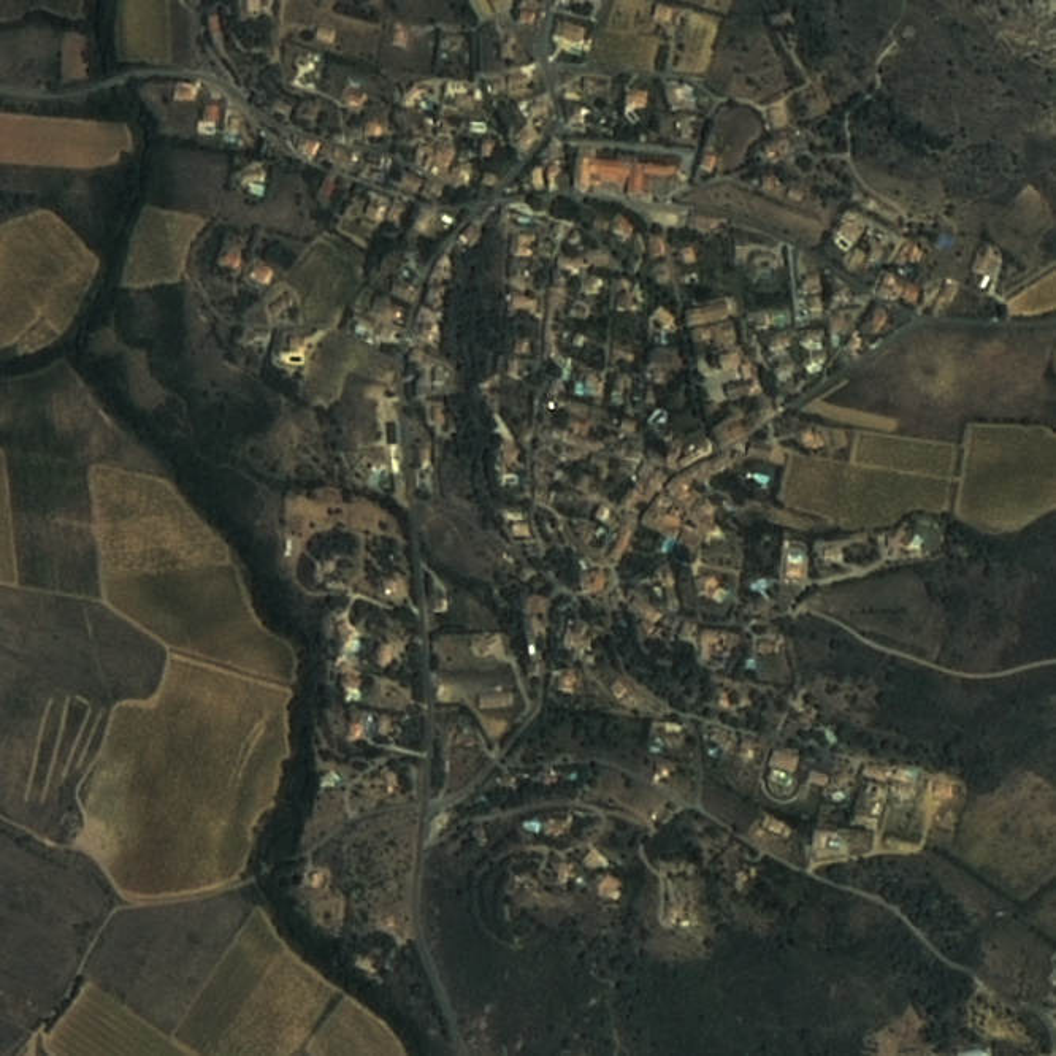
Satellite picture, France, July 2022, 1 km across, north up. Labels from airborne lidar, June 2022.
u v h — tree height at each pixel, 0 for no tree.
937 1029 10
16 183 0
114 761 0
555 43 0
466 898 10
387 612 6
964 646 0
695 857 8
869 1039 0
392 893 0
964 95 0
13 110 8
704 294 12
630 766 0
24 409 0
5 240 0
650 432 7
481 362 6
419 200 7
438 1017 9
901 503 0
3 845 0
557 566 9
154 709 0
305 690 9
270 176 6
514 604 9
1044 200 0
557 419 9
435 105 6
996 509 0
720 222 7
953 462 0
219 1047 0
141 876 0
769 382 12
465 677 0
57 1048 0
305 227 0
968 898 0
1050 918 0
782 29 8
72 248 0
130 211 10
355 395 0
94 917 0
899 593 0
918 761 7
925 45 0
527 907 0
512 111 0
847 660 0
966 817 0
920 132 11
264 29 10
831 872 13
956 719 0
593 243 11
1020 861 0
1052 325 0
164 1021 0
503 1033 0
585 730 9
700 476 0
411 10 0
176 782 0
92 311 6
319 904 0
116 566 0
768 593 8
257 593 11
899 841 0
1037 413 0
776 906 6
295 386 7
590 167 0
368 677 11
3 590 0
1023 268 6
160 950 0
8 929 0
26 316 0
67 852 0
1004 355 0
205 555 0
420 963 6
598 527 6
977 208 0
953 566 8
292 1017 0
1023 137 0
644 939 6
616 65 0
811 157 8
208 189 0
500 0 0
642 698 0
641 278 12
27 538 0
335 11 6
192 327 0
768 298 8
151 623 0
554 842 7
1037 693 0
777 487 6
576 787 8
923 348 0
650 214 0
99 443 0
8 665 0
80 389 0
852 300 0
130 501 0
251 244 9
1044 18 0
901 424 0
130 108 6
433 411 0
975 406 0
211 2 7
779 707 11
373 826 0
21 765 0
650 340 7
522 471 5
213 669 0
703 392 14
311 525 6
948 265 0
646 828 0
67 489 0
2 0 0
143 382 0
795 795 0
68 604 0
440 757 8
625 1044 0
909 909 12
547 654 11
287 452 0
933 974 7
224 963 0
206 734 0
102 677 0
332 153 0
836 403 0
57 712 0
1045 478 0
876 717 0
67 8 0
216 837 0
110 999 0
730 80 0
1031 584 0
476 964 0
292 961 0
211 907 0
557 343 8
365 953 6
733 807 0
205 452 8
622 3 0
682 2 8
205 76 0
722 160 0
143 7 0
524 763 7
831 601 0
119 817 0
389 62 0
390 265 0
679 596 8
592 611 7
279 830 8
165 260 0
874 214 5
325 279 0
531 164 6
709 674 8
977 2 9
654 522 0
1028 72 0
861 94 8
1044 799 0
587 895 6
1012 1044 0
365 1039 0
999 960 0
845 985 0
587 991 0
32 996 0
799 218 0
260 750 0
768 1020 0
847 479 0
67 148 0
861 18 0
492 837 7
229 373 0
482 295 10
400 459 0
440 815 0
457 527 0
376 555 11
